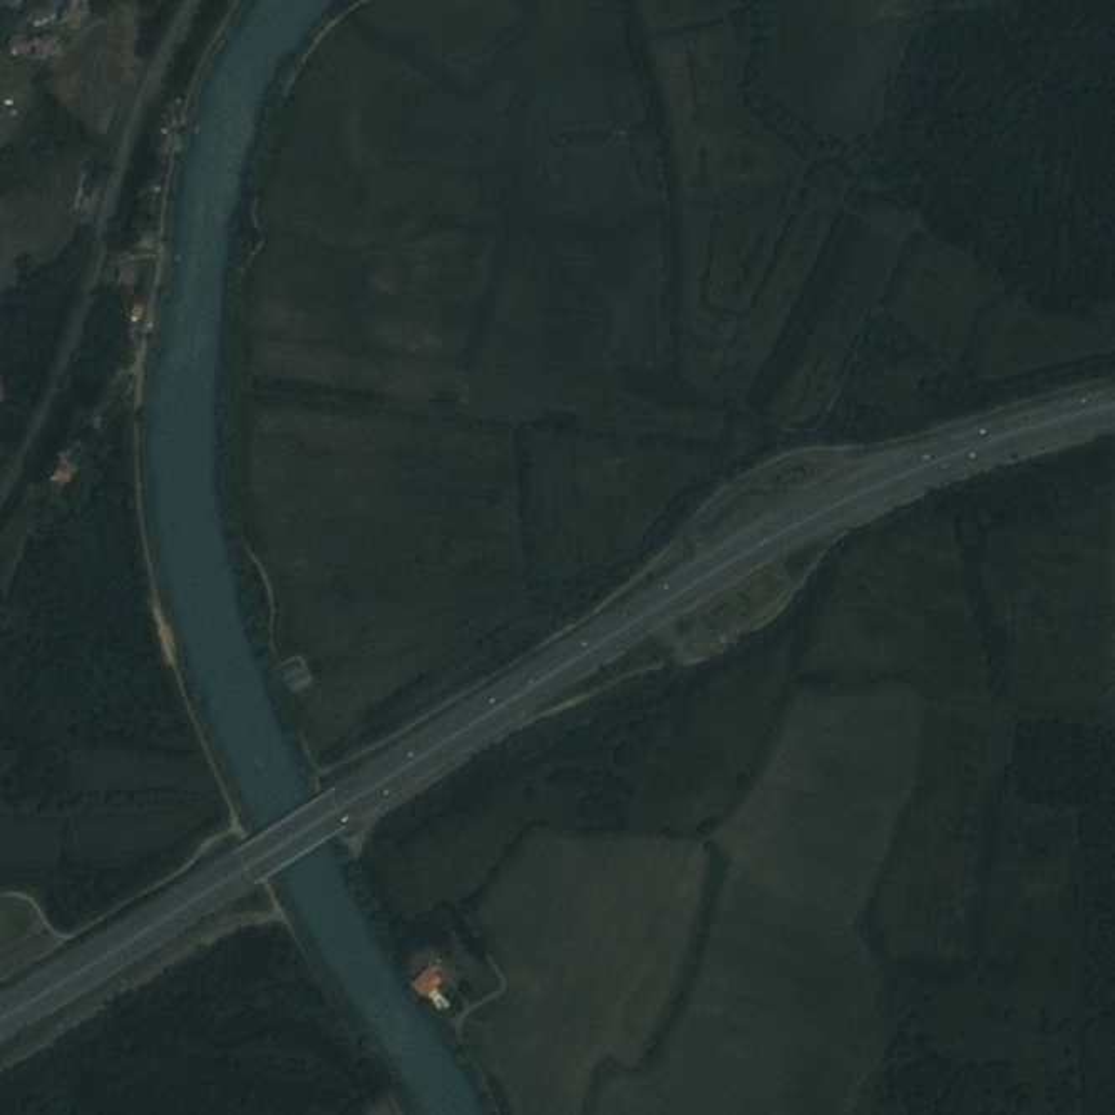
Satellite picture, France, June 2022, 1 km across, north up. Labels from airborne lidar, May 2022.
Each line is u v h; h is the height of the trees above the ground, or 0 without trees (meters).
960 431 0
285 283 0
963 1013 0
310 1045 9
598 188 0
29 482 9
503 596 0
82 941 7
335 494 0
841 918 0
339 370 0
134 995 13
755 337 0
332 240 0
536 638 8
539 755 7
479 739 0
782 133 9
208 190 0
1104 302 18
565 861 0
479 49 0
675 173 8
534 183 0
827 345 0
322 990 7
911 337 12
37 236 0
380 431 0
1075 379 15
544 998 0
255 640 16
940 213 16
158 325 0
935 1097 10
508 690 0
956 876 0
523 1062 0
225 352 16
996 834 0
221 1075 13
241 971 10
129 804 13
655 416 0
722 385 0
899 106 11
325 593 0
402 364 0
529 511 12
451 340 0
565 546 0
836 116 0
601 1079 0
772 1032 0
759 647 11
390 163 0
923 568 0
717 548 0
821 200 0
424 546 0
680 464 0
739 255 0
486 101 0
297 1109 10
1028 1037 0
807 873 0
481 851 0
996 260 17
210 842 0
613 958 0
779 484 0
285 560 0
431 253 0
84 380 27
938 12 10
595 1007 0
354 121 0
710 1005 0
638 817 0
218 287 0
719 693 0
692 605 0
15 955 0
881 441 7
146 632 9
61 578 25
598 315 0
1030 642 0
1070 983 0
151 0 16
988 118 15
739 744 0
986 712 0
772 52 19
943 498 12
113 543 27
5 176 25
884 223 0
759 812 0
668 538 13
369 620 0
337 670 0
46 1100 14
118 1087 10
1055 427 0
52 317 15
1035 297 14
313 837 0
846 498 0
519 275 0
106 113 0
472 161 0
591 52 0
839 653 0
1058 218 18
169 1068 13
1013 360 0
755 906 0
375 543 0
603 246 0
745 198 0
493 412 0
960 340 0
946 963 0
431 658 0
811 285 8
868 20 0
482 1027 0
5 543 0
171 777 0
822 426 7
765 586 0
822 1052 0
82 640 22
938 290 0
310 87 0
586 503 0
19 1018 0
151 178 8
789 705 0
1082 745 12
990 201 14
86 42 0
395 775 0
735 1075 0
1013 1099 8
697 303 0
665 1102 0
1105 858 8
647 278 0
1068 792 10
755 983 0
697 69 0
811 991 0
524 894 0
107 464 11
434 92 0
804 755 0
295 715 17
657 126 7
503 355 0
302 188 0
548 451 0
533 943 0
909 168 18
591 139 0
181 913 0
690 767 0
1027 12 16
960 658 0
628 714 10
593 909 0
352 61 0
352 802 0
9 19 21
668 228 6
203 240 0
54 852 0
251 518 0
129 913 8
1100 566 0
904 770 0
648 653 0
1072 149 16
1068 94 15
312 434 0
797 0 0
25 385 13
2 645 12
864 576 0
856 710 0
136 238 20
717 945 0
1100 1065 9
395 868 0
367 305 0
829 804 0
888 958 0
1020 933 0
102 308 11
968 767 0
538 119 0
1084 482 11
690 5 0
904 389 0
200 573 0
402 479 0
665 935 0
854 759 0
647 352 0
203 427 0
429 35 0
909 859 0
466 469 0
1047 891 0
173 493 0
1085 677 0
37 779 12
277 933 10
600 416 0
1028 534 0
